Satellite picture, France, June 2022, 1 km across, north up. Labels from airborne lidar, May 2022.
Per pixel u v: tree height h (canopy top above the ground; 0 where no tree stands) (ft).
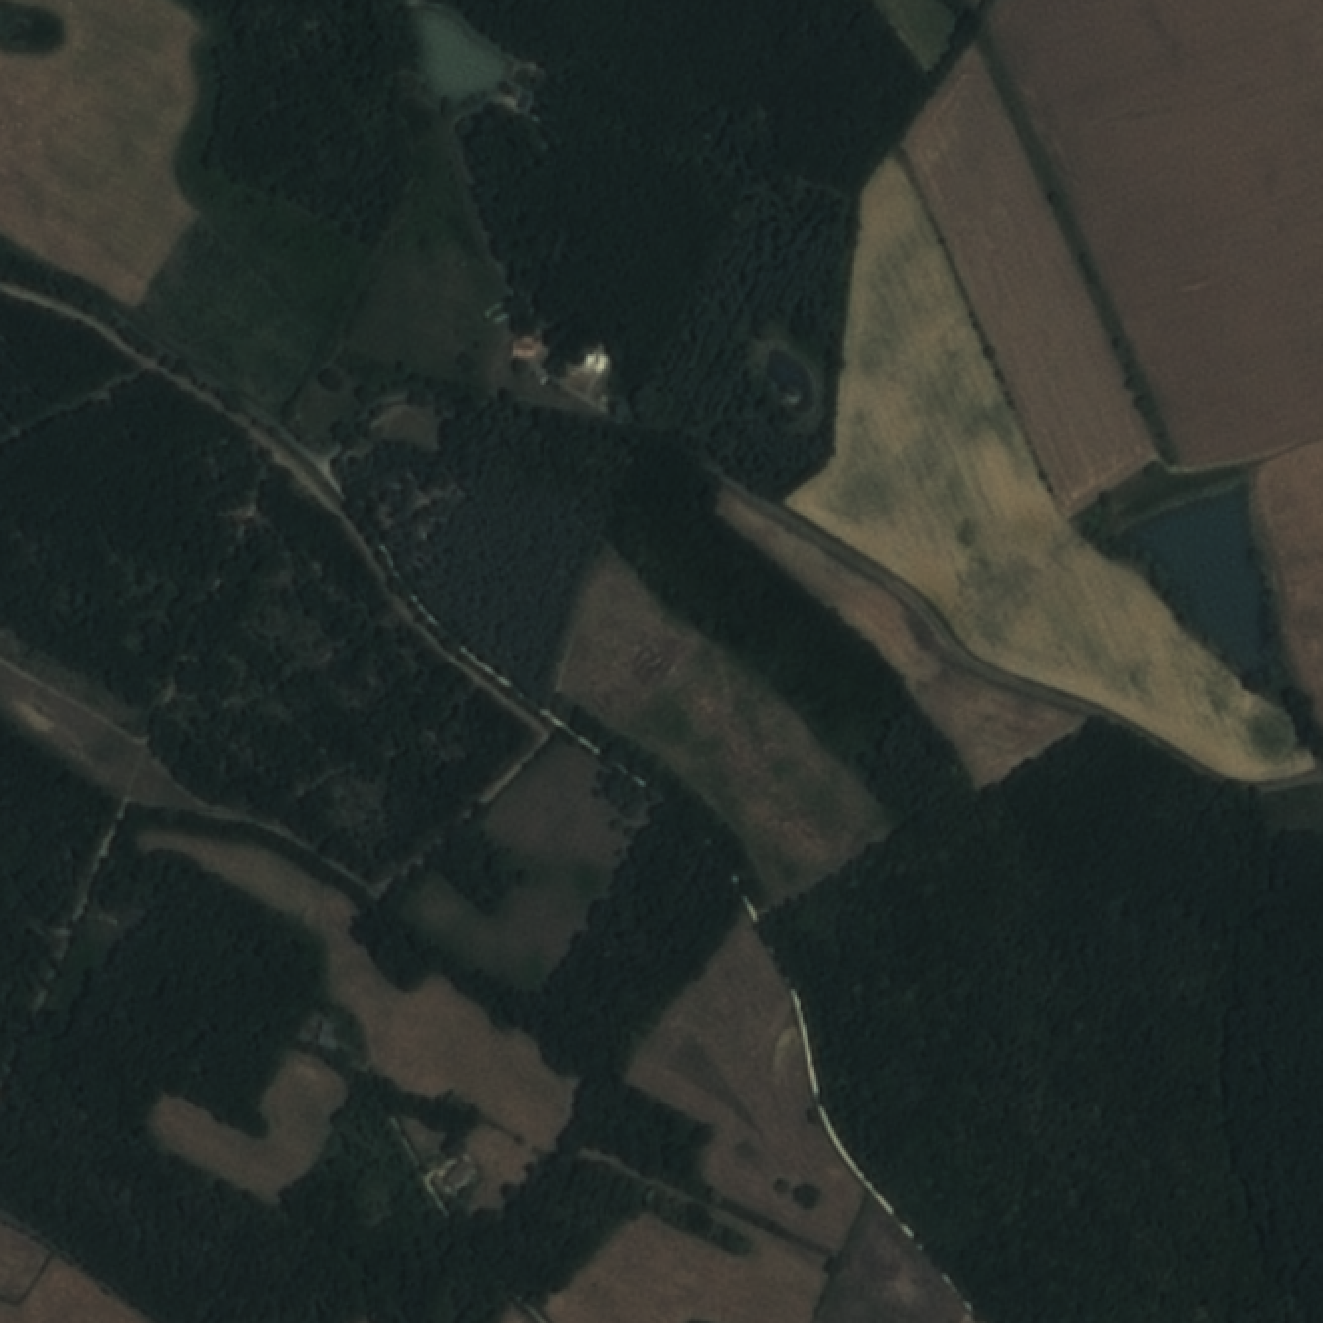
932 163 0
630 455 38
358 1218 27
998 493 0
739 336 27
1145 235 0
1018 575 0
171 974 59
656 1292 0
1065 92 0
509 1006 73
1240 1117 75
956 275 0
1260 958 80
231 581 59
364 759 54
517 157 73
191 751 53
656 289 59
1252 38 0
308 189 29
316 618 48
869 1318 0
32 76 0
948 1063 53
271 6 64
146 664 57
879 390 0
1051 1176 60
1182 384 0
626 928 51
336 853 63
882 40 55
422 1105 46
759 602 32
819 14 56
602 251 67
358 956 0
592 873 0
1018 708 0
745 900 40
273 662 44
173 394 42
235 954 57
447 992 0
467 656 44
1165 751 40
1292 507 0
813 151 62
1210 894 60
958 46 45
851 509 0
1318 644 0
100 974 54
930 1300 0
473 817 28
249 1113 52
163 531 51
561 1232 66
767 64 61
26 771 79
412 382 27
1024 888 61
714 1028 0
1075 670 0
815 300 62
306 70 60
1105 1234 61
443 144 0
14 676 0
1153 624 0
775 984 0
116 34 0
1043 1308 33
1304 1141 60
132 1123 62
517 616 57
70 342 50
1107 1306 80
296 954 52
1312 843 62
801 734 0
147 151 0
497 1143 0
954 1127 35
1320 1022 64
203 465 31
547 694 57
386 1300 40
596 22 59
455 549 62
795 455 36
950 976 56
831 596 0
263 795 51
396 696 45
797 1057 0
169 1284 50
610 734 27
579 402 0
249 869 0
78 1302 0
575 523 53
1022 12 0
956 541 0
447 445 59
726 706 0
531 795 0
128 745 0
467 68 0
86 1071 86
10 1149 57
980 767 0
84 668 49
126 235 0
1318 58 0
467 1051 0
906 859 34
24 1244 0
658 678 0
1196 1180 72
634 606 0
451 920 0
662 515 45
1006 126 0
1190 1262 63
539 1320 0
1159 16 0
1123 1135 54
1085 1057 64
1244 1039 77
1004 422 0
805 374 0
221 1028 56
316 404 0
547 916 0
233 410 36
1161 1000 77
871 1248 0
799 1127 0
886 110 59
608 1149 57
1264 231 0
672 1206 51
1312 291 0
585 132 72
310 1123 0
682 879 41
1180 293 0
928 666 0
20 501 51
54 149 0
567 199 63
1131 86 0
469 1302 38
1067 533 0
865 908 29
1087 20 0
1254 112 0
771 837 0
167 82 0
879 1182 28
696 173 75
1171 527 0
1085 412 0
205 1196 52
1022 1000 75
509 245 58
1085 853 47
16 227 0
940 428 0
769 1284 0
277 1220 64
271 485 52
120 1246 53
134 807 29
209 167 56
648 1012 49
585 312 70
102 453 53
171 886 58
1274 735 0
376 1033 0
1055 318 0
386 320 0
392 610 52
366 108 54
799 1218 0
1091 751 49
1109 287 0
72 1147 62
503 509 55
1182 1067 56
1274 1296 55
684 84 58
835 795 0
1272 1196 64
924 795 53
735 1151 0
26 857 57
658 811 52
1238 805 40
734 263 49
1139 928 66
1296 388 0
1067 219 0
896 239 0
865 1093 38
